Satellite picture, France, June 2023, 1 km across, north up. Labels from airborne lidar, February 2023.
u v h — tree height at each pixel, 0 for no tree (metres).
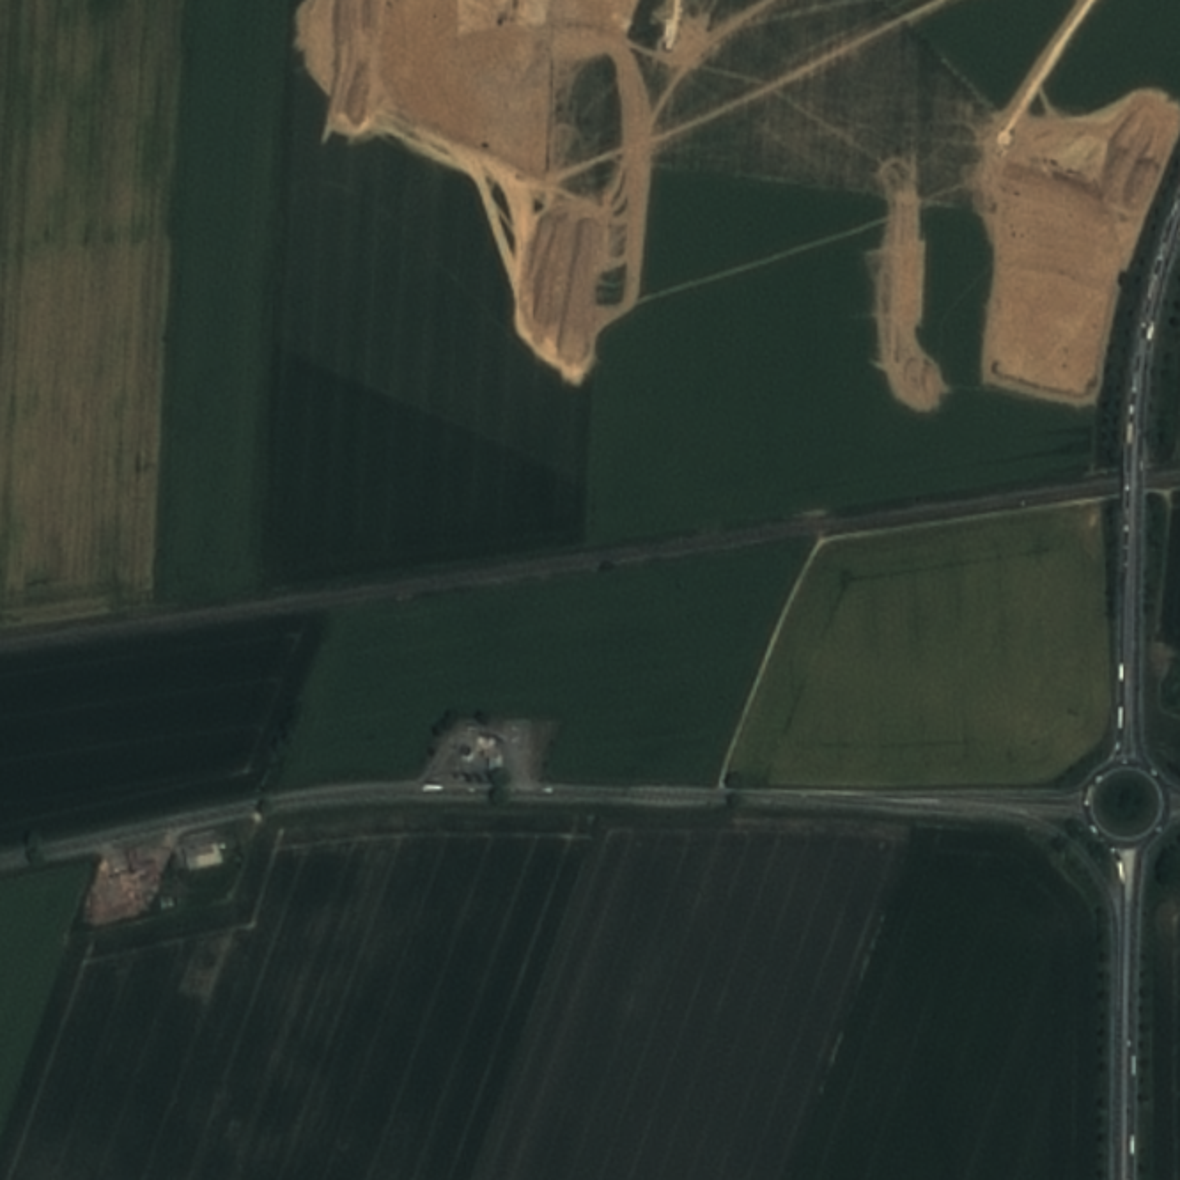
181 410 0
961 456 0
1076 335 0
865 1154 0
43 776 0
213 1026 0
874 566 0
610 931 0
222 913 0
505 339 0
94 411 0
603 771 0
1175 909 0
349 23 0
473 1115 0
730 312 0
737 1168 0
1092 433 0
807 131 0
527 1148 0
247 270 0
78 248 0
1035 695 0
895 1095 0
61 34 0
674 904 0
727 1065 0
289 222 0
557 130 0
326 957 0
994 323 0
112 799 0
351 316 0
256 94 0
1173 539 0
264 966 0
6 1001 0
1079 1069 0
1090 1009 0
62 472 0
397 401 0
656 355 0
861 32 0
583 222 0
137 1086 0
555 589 0
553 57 0
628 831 0
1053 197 0
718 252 0
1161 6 0
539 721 0
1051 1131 0
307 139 0
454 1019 0
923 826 0
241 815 0
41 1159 0
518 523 0
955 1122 0
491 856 0
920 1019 0
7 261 0
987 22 0
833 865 0
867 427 0
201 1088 0
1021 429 0
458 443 0
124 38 0
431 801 0
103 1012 0
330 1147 0
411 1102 0
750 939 0
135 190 0
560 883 0
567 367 0
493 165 0
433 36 0
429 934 0
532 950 0
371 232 0
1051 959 0
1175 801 0
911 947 0
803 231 0
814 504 0
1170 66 0
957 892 0
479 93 0
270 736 0
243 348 0
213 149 0
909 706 0
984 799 0
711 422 0
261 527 0
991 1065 0
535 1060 0
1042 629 0
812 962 0
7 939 0
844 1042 0
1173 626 0
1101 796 0
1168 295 0
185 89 0
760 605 0
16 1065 0
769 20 0
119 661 0
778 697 0
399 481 0
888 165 0
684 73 0
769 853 0
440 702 0
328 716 0
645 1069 0
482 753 0
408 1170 0
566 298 0
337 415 0
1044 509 0
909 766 0
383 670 0
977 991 0
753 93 0
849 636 0
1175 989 0
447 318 0
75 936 0
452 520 0
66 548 0
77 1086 0
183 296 0
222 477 0
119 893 0
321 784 0
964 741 0
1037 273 0
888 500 0
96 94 0
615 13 0
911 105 0
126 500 0
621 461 0
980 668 0
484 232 0
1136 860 0
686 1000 0
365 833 0
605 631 0
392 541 0
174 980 0
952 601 0
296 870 0
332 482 0
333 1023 0
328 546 0
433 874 0
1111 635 0
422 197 0
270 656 0
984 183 0
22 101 0
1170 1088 0
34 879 0
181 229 0
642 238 0
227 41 0
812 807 0
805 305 0
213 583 0
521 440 0
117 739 0
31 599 0
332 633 0
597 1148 0
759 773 0
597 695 0
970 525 0
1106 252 0
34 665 0
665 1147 0
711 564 0
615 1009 0
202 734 0
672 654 0
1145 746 0
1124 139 0
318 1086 0
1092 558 0
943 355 0
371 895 0
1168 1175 0
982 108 0
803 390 0
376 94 0
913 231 0
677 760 0
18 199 0
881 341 0
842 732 0
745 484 0
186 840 0
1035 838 0
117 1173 0
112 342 0
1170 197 8
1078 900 0
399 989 0
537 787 0
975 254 0
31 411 0
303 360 0
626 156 0
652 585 0
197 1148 0
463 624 0
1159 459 0
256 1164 0
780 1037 0
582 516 0
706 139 0
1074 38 0
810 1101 0
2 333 0
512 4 0
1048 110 0
